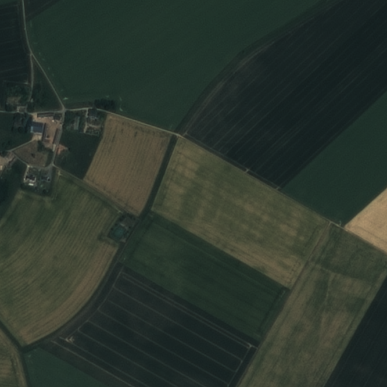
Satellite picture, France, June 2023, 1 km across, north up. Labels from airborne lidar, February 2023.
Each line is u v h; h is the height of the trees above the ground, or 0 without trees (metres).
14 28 0
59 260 0
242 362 0
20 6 0
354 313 0
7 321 0
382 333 0
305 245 0
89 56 0
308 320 0
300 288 0
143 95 0
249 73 0
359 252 0
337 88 0
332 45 0
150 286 0
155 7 0
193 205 0
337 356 0
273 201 0
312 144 0
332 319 0
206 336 0
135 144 0
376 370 0
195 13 0
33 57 0
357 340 0
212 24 0
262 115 0
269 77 0
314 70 0
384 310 0
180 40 0
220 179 0
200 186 0
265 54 0
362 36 0
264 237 0
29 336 0
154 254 0
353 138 0
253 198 0
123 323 0
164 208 0
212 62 0
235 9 0
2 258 0
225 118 0
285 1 0
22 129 13
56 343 0
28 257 0
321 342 0
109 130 0
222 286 0
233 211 0
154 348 0
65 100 0
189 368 0
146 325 0
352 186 0
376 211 0
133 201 0
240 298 0
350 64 0
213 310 0
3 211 0
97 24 0
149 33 0
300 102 0
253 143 0
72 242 0
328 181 0
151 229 0
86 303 0
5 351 0
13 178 0
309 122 0
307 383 0
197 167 0
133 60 0
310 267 0
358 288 0
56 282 0
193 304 0
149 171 0
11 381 0
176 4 0
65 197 0
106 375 0
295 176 0
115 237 0
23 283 0
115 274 0
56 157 0
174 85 0
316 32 0
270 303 0
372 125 0
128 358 0
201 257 0
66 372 0
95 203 0
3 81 0
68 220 0
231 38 0
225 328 0
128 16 0
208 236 0
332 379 0
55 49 0
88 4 0
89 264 0
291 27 0
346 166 0
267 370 0
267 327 0
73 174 0
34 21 0
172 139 0
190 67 0
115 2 0
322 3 0
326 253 0
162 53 0
